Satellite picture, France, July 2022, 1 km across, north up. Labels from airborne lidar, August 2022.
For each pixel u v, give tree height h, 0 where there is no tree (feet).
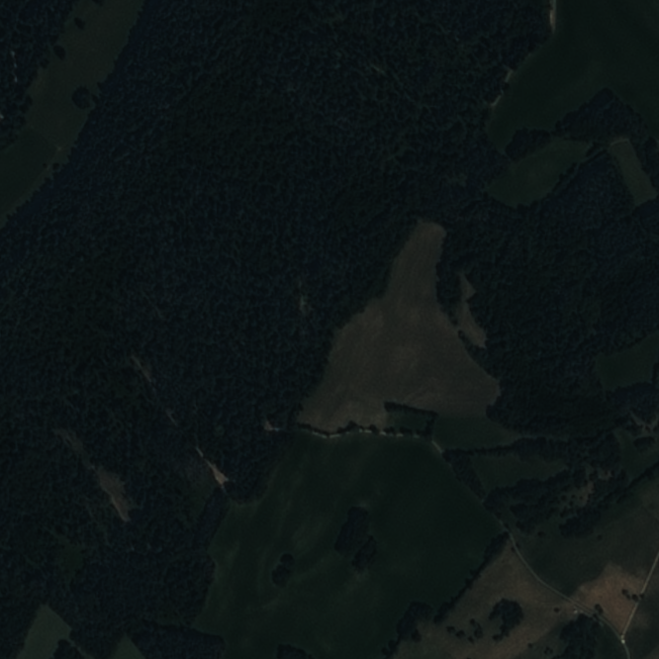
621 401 88
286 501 0
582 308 88
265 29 33
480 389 0
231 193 66
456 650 0
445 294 56
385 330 0
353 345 0
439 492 0
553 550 0
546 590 0
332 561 0
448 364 0
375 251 59
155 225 106
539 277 37
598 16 0
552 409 20
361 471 0
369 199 34
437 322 0
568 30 0
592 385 65
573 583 0
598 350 57
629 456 0
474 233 78
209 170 47
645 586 0
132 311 102
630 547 0
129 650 0
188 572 82
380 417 0
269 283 81
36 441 77
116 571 88
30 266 29
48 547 23
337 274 101
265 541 0
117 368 21
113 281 28
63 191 99
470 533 0
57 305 59
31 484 88
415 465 0
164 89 36
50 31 31
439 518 0
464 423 0
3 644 40
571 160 0
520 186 0
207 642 83
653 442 26
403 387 0
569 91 0
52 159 0
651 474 53
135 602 73
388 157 54
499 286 69
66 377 57
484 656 0
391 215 53
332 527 0
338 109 87
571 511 23
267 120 63
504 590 0
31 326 44
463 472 55
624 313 36
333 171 37
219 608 0
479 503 0
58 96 0
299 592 0
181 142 45
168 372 88
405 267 0
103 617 74
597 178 110
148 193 56
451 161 78
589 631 71
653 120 0
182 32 76
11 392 84
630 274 33
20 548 41
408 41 59
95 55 0
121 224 65
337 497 0
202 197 80
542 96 0
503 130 0
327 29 98
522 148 65
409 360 0
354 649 0
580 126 71
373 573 0
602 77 0
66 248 36
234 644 0
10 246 22
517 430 37
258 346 56
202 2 77
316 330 78
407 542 0
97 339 47
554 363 35
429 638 0
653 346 0
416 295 0
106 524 48
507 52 69
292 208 58
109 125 63
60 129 0
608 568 0
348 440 0
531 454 70
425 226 0
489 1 102
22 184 0
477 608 0
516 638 0
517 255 62
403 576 0
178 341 85
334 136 108
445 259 51
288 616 0
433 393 0
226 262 86
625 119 102
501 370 44
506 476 0
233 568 0
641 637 0
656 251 37
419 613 74
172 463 79
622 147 0
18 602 59
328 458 0
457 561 0
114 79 49
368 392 0
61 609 49
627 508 0
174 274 94
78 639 80
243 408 102
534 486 66
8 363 65
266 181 26
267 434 83
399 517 0
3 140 66
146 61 84
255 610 0
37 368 50
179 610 83
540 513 41
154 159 33
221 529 0
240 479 75
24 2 41
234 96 51
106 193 51
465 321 0
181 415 59
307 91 108
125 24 0
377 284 64
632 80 0
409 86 43
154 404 91
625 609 0
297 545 0
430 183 90
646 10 0
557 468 0
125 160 54
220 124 41
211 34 89
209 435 20
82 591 94
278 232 37
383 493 0
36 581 67
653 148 74
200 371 112
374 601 0
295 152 58
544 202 20
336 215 51
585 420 22
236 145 47
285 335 72
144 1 0
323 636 0
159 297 88
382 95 62
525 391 29
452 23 90
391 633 0
